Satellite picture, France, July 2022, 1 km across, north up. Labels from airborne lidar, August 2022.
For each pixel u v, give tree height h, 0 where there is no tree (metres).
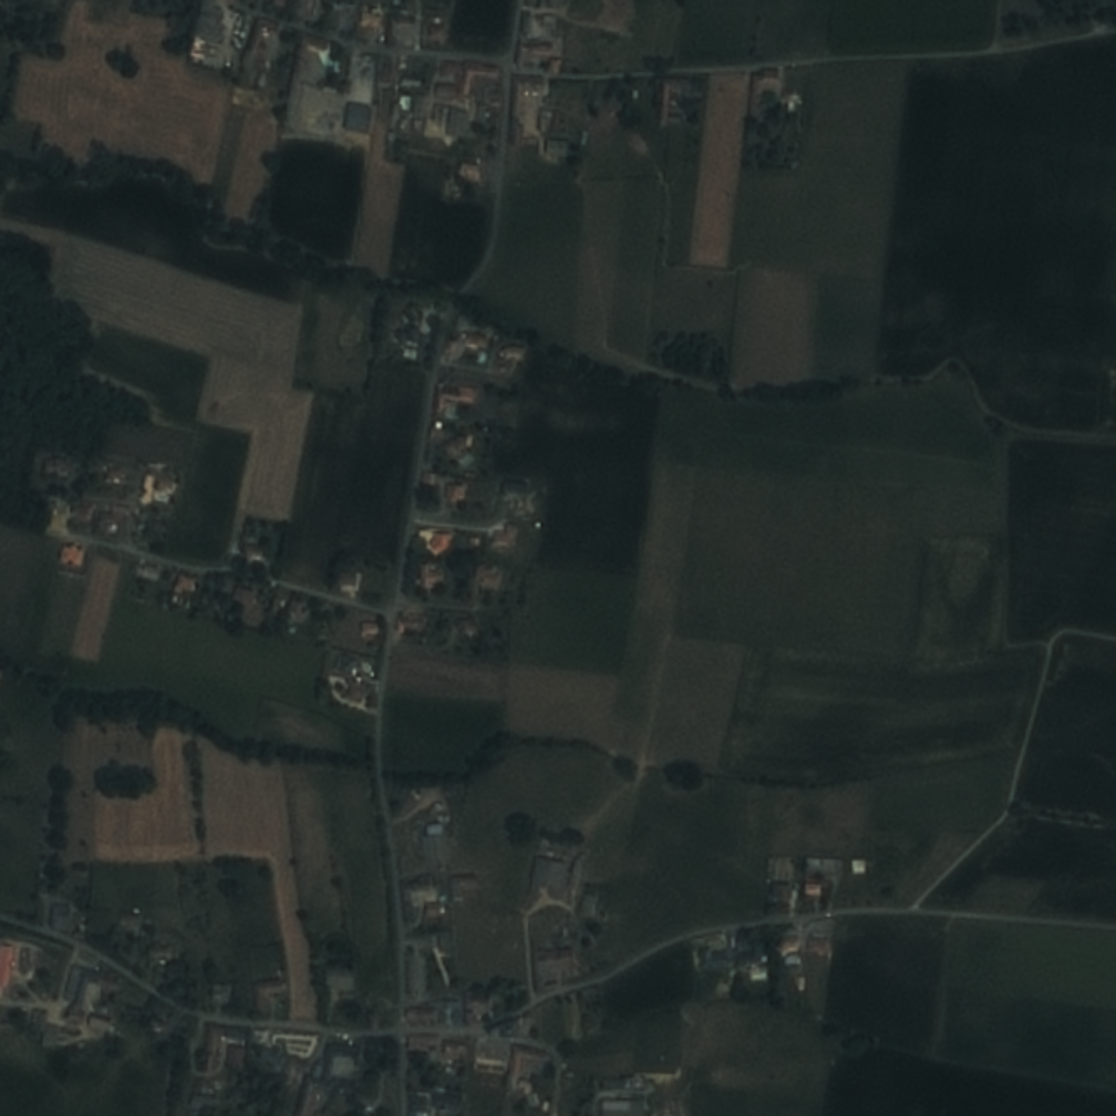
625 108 7
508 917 0
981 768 0
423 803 0
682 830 0
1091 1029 0
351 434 0
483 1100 0
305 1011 0
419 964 0
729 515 0
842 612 0
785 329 0
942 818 0
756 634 0
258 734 0
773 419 0
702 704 0
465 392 0
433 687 0
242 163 0
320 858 0
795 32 0
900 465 0
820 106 0
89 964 0
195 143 0
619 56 0
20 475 6
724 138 0
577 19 0
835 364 0
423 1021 0
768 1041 0
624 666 0
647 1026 0
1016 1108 0
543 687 0
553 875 0
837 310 0
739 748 0
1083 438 0
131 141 0
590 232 0
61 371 26
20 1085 0
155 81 0
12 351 28
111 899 0
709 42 0
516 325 0
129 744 0
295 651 0
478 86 0
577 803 0
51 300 25
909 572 0
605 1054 0
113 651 0
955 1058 0
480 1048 0
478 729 0
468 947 0
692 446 0
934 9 0
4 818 0
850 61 0
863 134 0
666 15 0
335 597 0
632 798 0
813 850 0
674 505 0
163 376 0
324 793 0
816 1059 0
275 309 0
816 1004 0
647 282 0
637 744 0
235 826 0
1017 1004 0
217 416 0
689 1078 0
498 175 0
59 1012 0
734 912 0
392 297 10
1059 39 0
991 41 0
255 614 0
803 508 0
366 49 0
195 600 7
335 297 0
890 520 0
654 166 0
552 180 0
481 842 0
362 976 0
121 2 0
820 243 0
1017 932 0
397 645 0
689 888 0
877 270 0
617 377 16
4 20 12
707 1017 0
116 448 0
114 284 0
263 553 9
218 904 0
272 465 0
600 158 0
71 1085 0
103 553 0
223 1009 11
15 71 10
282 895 0
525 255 0
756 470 0
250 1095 7
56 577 0
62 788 15
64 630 0
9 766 0
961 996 0
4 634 0
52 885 8
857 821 0
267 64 0
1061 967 0
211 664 0
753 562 0
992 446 0
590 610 0
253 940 0
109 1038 10
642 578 0
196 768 12
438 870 0
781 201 0
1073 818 7
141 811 0
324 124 0
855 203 0
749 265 0
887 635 0
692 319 0
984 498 0
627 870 0
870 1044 7
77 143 0
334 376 0
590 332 0
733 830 0
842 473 0
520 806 0
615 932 0
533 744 6
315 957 9
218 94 0
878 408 0
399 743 0
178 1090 12
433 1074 6
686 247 0
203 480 0
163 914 0
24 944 0
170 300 0
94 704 23
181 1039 15
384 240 0
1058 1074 0
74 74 0
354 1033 0
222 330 0
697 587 0
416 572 11
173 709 17
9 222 0
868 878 0
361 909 0
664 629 0
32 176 21
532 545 0
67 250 0
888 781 0
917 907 0
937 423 0
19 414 27
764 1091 0
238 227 18
